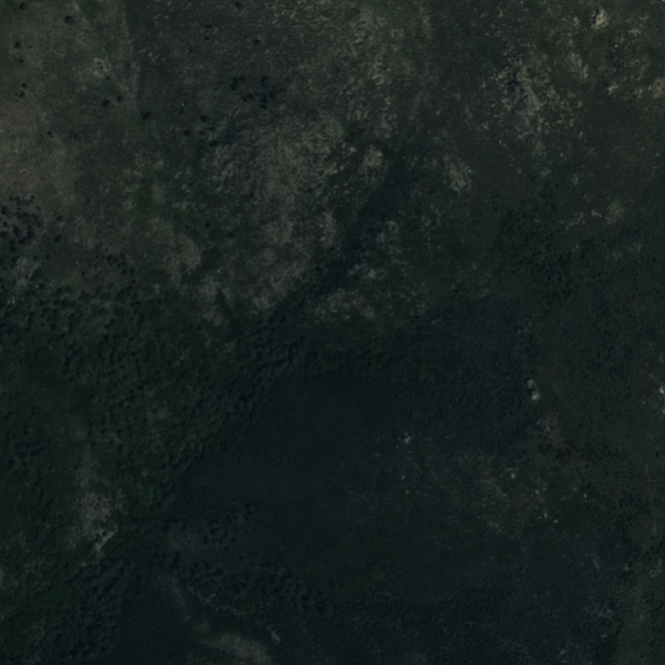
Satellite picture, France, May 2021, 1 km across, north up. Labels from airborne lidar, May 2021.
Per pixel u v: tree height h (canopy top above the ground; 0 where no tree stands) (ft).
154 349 61
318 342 21
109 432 63
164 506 95
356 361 51
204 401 64
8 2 0
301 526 20
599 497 31
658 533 0
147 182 59
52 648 59
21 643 29
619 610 27
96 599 68
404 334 23
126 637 21
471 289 19
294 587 81
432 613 23
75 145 0
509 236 20
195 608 18
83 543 19
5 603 38
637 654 0
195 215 21
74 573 18
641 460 0
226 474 25
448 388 19
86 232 0
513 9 0
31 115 0
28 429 58
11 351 60
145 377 59
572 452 29
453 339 19
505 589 18
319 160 23
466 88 0
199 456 51
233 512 18
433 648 20
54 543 67
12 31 0
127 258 52
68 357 36
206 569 28
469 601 28
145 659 18
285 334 23
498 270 18
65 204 0
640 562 23
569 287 25
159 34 0
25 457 101
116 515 23
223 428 50
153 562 27
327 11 0
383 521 18
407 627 32
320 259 18
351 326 19
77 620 78
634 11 0
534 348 23
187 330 20
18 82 0
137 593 21
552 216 23
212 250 19
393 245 37
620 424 0
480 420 19
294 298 20
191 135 73
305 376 22
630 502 30
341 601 21
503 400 19
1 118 0
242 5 57
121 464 64
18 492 29
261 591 25
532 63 0
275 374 90
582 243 25
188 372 45
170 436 19
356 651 20
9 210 69
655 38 0
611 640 31
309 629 21
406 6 0
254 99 66
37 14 0
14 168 0
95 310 26
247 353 38
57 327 81
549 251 29
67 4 0
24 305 30
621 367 21
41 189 0
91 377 64
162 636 19
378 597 35
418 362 20
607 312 18
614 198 0
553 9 0
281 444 19
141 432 19
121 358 74
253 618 23
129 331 70
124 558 26
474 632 19
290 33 0
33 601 41
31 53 0
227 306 31
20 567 55
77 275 0
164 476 39
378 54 0
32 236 63
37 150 0
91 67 0
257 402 75
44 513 62
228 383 25
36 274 22
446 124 21
